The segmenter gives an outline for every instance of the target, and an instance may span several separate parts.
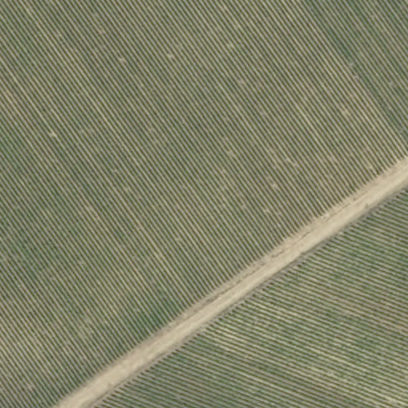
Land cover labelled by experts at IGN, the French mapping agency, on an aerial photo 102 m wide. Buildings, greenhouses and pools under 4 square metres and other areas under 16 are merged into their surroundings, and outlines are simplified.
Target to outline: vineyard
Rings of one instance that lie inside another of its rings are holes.
[[[408,0],[0,0],[0,408],[54,408],[67,395],[72,395],[86,382],[115,365],[116,360],[124,357],[127,352],[140,346],[145,339],[158,333],[164,325],[177,319],[185,309],[198,303],[202,296],[233,279],[253,261],[265,257],[269,250],[284,242],[285,237],[298,233],[298,229],[311,223],[312,218],[320,217],[343,199],[349,198],[400,159],[405,159],[408,163]]]
[[[301,252],[300,257],[290,261],[273,276],[255,285],[239,300],[229,304],[228,308],[218,312],[217,316],[207,322],[206,330],[202,333],[193,331],[191,335],[185,336],[182,346],[178,346],[178,349],[163,360],[158,360],[151,367],[143,365],[137,368],[134,373],[127,376],[127,381],[120,389],[113,390],[112,394],[102,400],[102,405],[96,408],[408,408],[408,185],[387,194],[386,198],[376,202],[375,206],[371,206],[367,212],[363,212],[352,222],[346,223],[335,234],[312,245],[311,249]]]

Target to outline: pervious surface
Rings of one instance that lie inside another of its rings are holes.
[[[255,285],[273,276],[290,261],[300,257],[301,252],[311,249],[312,245],[335,234],[346,223],[352,222],[363,212],[367,212],[371,206],[375,206],[376,202],[386,198],[387,194],[408,185],[408,163],[405,159],[400,159],[349,198],[343,199],[320,217],[312,218],[311,223],[298,229],[298,233],[285,237],[284,242],[269,250],[265,257],[253,261],[233,279],[202,296],[198,303],[185,309],[177,319],[164,325],[158,333],[145,339],[140,346],[127,352],[124,357],[116,360],[115,365],[86,382],[72,395],[67,395],[54,408],[96,408],[102,405],[102,400],[112,394],[113,390],[120,389],[127,381],[127,376],[134,373],[137,368],[143,365],[151,367],[158,360],[163,360],[178,349],[178,346],[182,346],[185,336],[191,335],[193,331],[202,333],[206,330],[207,322],[217,316],[218,312],[228,308],[229,304],[239,300]]]

